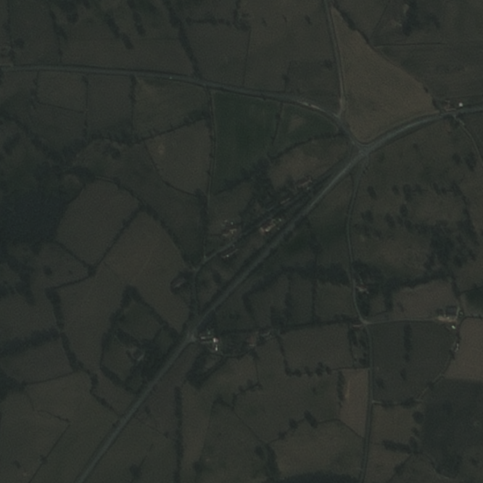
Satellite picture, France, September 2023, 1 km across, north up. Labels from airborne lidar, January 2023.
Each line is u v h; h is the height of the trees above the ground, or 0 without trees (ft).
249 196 0
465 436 0
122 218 0
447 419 0
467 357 0
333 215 0
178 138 0
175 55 0
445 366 0
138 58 0
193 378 62
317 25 0
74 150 35
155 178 0
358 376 0
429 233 57
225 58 0
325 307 0
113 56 0
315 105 0
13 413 0
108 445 0
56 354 0
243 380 0
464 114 19
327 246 0
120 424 0
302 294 0
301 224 33
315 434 0
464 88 0
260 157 0
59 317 33
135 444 0
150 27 0
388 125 0
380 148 0
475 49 0
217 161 0
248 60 0
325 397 0
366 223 0
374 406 0
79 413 0
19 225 87
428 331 0
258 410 0
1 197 0
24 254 0
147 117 0
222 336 20
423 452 25
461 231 63
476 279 0
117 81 0
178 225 0
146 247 0
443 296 0
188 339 0
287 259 0
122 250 0
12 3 0
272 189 51
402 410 0
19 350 42
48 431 0
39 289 0
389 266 0
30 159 0
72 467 0
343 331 0
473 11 0
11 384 50
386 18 0
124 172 0
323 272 49
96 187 0
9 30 46
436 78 0
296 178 0
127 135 45
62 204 56
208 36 0
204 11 0
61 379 0
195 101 0
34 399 0
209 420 0
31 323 0
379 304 0
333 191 0
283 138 0
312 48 0
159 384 0
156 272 0
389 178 0
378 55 0
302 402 0
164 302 0
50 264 0
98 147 0
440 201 0
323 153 0
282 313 0
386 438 0
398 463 0
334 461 0
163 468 0
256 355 50
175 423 0
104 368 27
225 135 0
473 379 0
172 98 0
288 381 0
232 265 0
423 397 0
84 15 0
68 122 0
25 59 0
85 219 0
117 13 0
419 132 0
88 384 0
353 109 0
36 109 45
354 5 0
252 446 0
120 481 0
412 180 0
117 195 0
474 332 0
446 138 0
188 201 0
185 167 0
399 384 0
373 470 0
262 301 0
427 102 0
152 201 0
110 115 0
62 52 45
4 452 0
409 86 0
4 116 40
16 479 0
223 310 0
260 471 0
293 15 0
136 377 30
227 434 0
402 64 0
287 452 0
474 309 0
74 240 0
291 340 0
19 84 0
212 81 0
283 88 0
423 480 0
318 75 0
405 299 0
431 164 0
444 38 0
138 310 0
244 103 0
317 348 0
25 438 0
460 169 0
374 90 0
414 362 0
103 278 0
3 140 0
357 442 0
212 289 0
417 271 0
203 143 0
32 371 0
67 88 0
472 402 0
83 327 0
